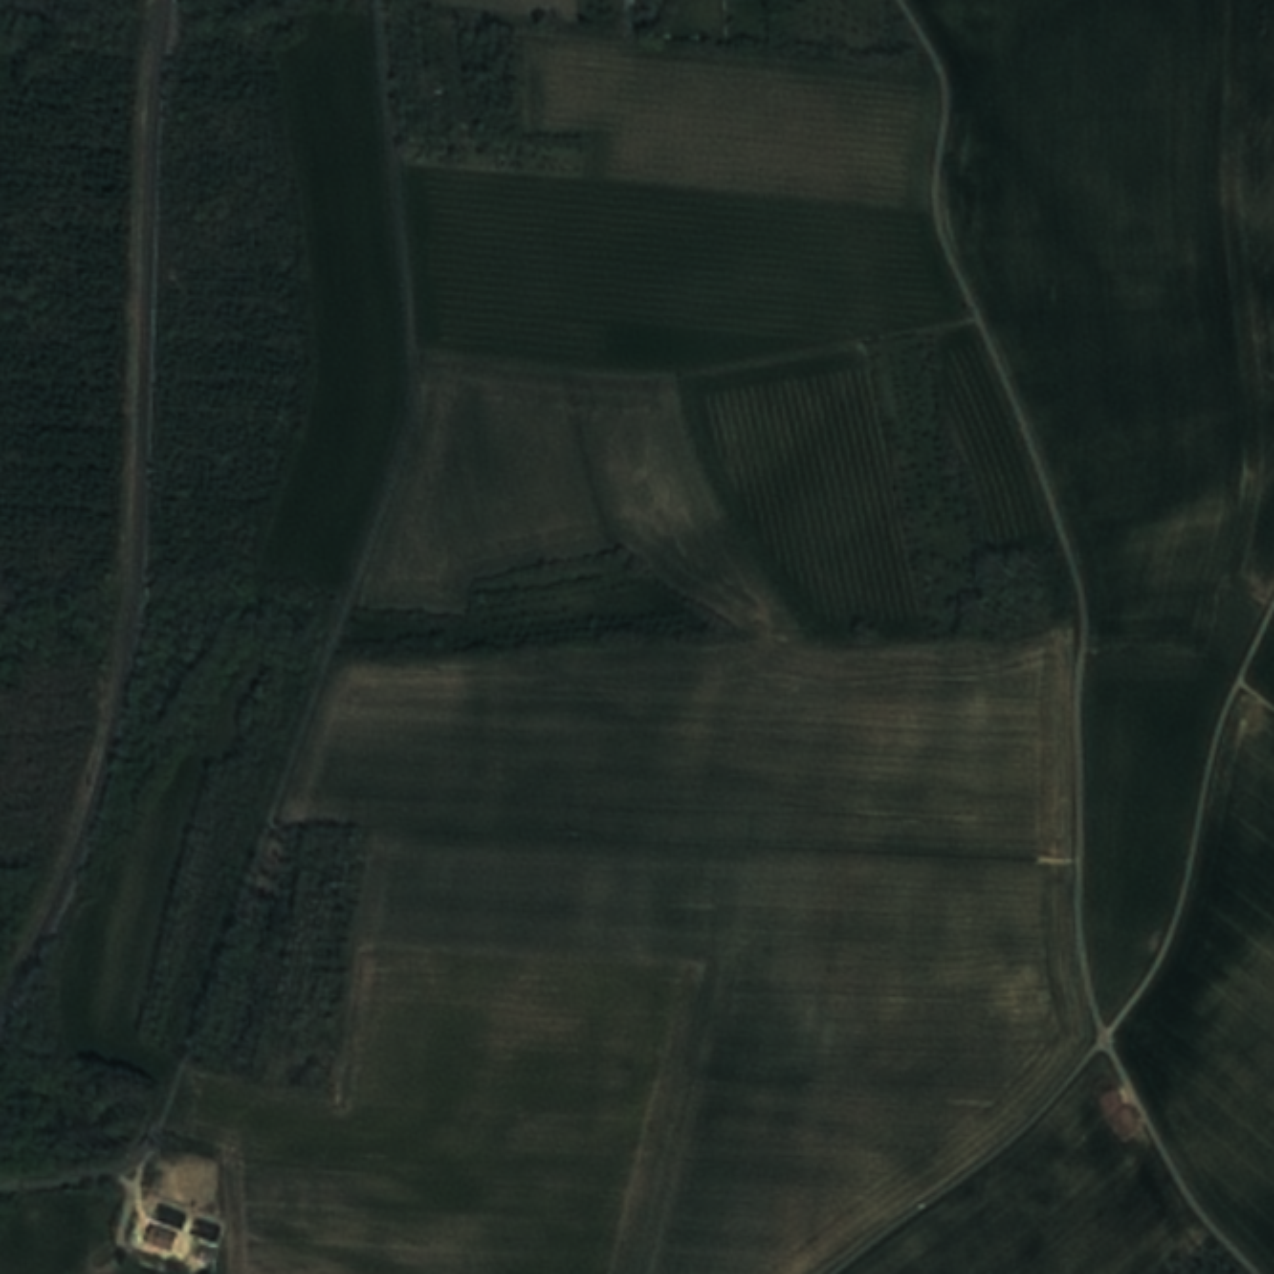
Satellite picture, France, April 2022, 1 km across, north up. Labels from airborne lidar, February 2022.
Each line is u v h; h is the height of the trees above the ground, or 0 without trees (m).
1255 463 0
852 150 0
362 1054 0
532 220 0
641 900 0
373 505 0
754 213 0
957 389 0
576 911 0
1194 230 0
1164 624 0
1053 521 0
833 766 0
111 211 10
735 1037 0
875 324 0
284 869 17
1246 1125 0
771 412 0
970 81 0
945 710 0
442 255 0
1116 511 0
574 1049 0
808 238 0
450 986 0
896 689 0
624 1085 0
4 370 11
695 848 0
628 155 0
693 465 0
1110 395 0
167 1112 0
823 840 0
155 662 19
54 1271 0
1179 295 0
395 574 0
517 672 0
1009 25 0
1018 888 0
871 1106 0
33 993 22
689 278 0
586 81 0
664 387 0
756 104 0
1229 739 0
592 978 0
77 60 6
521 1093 0
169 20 0
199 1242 0
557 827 0
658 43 19
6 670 25
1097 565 0
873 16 0
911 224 0
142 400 0
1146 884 0
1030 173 0
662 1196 0
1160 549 0
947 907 0
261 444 6
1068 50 0
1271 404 0
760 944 0
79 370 9
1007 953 0
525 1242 0
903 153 0
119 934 0
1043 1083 0
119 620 0
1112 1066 0
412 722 0
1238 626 0
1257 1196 0
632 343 0
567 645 6
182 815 0
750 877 0
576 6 0
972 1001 0
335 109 0
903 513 7
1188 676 0
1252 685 0
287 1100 0
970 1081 0
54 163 8
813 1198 0
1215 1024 0
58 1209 0
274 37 15
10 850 6
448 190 0
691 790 0
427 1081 0
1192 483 0
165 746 24
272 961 21
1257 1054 0
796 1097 0
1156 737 0
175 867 0
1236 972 0
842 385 0
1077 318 0
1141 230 0
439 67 12
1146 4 0
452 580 0
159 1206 0
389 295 0
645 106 0
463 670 0
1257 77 0
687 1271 0
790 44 7
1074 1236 0
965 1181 0
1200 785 0
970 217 0
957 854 0
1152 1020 0
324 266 0
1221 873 0
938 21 0
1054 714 0
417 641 8
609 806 0
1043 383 0
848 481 0
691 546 0
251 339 7
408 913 0
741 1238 0
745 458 0
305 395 5
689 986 0
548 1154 0
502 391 0
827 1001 0
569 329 0
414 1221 0
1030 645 0
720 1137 0
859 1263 0
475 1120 0
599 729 0
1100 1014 0
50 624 29
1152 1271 0
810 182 0
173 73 9
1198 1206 0
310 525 0
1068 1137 0
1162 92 0
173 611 23
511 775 0
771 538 0
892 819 0
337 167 0
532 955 0
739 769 0
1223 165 0
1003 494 0
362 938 0
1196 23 0
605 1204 0
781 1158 0
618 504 0
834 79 0
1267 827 0
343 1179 0
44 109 13
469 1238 0
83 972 0
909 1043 0
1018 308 0
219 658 23
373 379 0
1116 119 0
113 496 7
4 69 12
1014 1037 0
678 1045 0
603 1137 0
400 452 0
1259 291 0
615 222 0
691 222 0
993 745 0
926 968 0
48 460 11
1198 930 0
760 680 0
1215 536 0
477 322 0
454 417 0
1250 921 0
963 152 0
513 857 0
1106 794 0
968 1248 0
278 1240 0
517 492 0
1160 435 0
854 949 0
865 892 0
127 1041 0
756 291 0
